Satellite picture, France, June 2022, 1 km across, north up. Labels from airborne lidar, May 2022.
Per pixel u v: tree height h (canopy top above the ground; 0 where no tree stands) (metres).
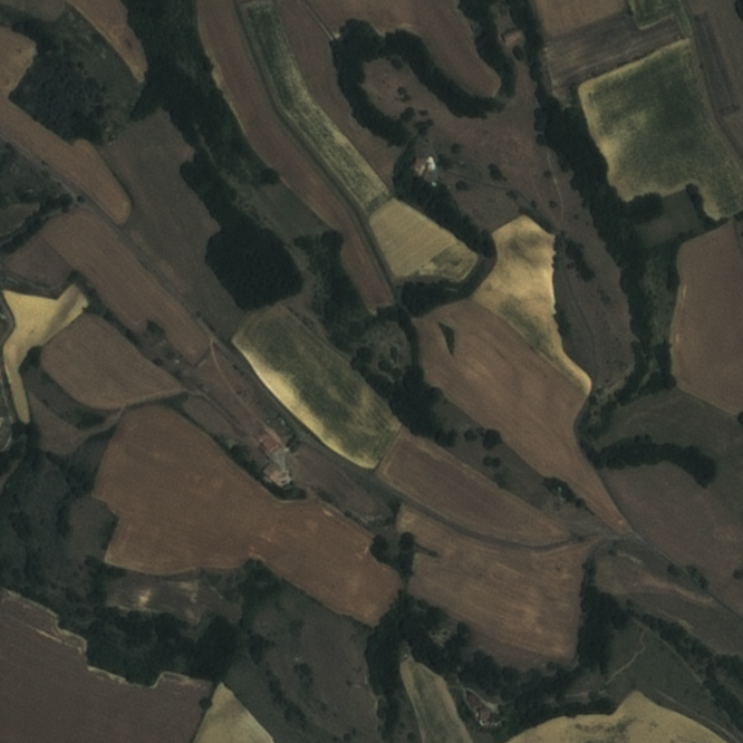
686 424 0
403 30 10
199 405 0
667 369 13
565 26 0
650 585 0
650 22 0
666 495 0
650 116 0
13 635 0
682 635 12
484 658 7
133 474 0
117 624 9
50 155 0
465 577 0
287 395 0
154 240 0
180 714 0
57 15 0
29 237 7
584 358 0
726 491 0
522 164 0
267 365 0
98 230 0
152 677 8
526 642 0
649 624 7
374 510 0
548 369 0
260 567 7
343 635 0
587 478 0
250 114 0
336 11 0
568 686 11
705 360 0
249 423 0
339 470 0
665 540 0
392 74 0
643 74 0
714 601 0
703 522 0
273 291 17
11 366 0
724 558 0
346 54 14
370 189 0
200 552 0
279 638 0
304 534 0
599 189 10
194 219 0
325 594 0
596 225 10
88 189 0
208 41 0
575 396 0
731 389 0
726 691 13
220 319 0
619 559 0
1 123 0
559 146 11
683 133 0
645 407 0
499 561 0
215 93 14
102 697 0
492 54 18
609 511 0
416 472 0
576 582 0
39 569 9
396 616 11
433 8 0
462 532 0
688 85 0
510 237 0
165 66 20
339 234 14
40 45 11
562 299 0
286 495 10
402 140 14
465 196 0
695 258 0
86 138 10
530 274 0
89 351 0
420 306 20
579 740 0
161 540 0
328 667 0
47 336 0
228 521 0
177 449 0
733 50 0
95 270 0
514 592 0
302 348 0
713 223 10
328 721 0
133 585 0
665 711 0
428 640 12
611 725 0
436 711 0
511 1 14
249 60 0
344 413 0
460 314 0
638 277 15
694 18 0
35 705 0
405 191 7
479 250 14
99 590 11
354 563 0
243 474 0
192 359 0
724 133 0
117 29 0
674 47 0
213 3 0
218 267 15
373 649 16
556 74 0
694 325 0
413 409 18
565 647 0
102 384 0
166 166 0
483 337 0
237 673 0
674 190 0
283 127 0
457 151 10
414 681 0
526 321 0
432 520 0
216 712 0
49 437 0
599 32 0
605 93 0
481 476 0
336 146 0
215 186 14
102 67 0
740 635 0
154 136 0
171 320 0
